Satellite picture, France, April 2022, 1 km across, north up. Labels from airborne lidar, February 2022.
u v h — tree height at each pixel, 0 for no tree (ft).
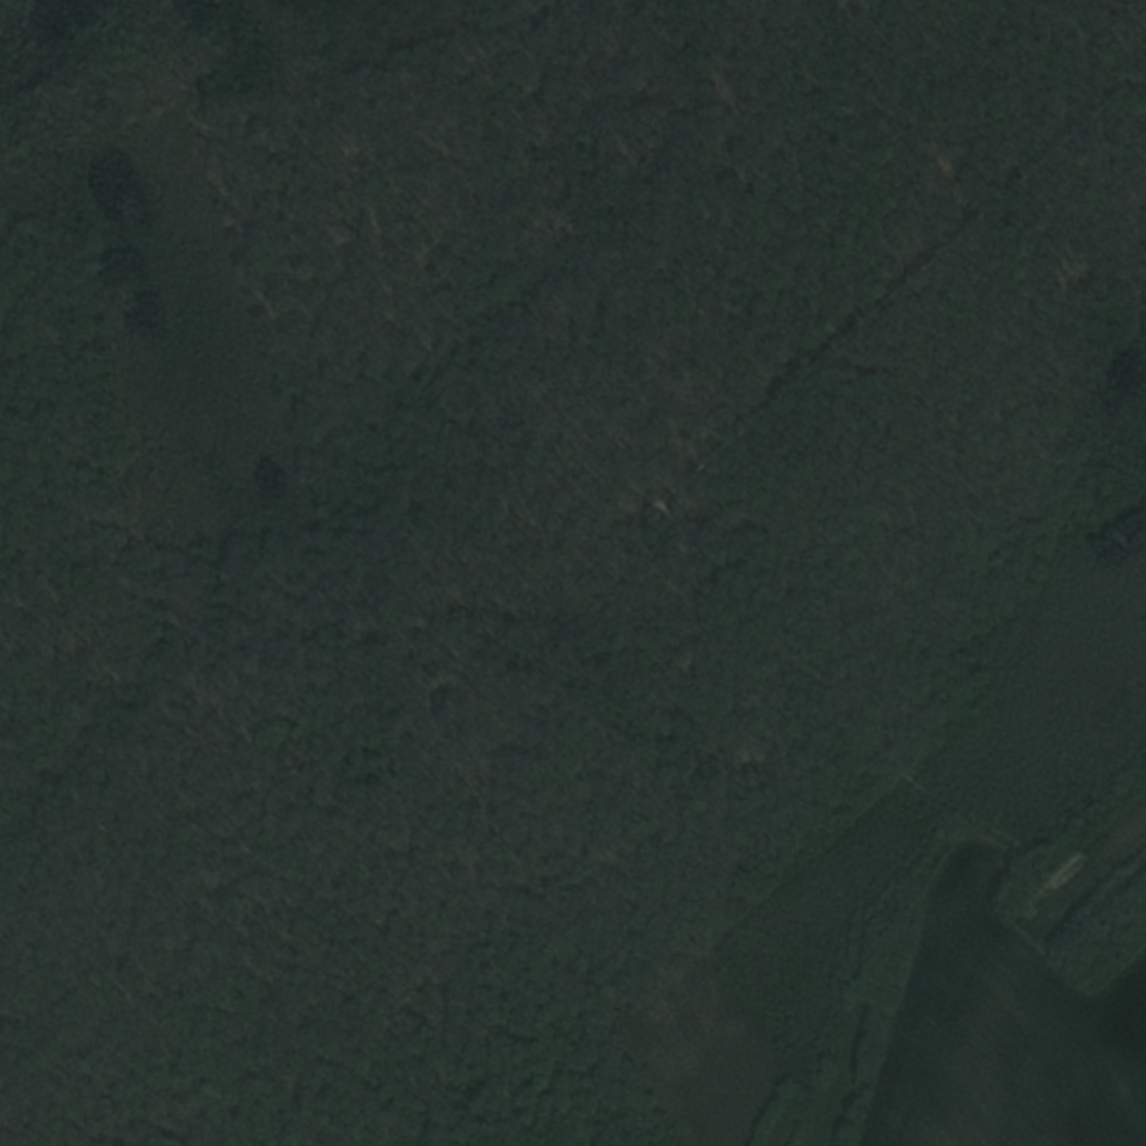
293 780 82
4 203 47
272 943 96
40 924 97
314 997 93
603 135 91
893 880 40
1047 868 65
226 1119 91
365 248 90
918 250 90
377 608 93
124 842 92
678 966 88
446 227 83
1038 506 103
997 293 93
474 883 96
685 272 82
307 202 85
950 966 0
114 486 85
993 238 87
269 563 85
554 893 86
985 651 39
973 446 92
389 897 89
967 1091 0
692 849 87
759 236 95
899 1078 0
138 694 83
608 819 82
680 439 96
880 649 84
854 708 86
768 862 75
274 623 85
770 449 102
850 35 91
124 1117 94
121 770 91
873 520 97
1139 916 69
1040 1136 0
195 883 89
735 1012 0
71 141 72
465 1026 85
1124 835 0
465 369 74
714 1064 0
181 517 30
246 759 99
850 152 90
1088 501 88
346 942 83
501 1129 81
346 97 87
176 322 45
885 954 70
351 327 77
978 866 0
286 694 90
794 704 94
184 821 98
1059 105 93
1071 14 85
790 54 100
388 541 93
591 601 98
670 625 99
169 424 35
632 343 86
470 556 94
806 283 93
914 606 84
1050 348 93
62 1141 93
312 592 96
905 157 92
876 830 36
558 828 93
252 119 80
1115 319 91
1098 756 44
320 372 90
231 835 89
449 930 92
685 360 92
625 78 93
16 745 94
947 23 87
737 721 87
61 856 92
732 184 82
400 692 88
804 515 89
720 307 92
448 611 92
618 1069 93
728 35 95
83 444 99
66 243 97
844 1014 41
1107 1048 0
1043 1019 0
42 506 84
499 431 89
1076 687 43
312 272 88
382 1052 94
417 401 75
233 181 71
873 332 86
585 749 90
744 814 83
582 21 96
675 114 92
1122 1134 0
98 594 94
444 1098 91
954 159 100
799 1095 32
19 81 48
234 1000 102
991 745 29
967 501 93
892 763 84
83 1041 83
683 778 77
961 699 88
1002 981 0
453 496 82
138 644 98
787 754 84
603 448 92
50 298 90
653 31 88
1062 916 0
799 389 91
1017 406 89
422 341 83
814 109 88
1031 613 38
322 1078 91
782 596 99
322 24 57
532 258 93
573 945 104
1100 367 76
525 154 84
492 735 95
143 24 69
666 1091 0
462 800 66
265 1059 87
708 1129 0
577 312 94
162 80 80
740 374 93
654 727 93
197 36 77
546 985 98
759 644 93
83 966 98
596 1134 67
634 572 84
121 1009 96
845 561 92
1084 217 96
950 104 102
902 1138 0
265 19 67
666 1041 0
